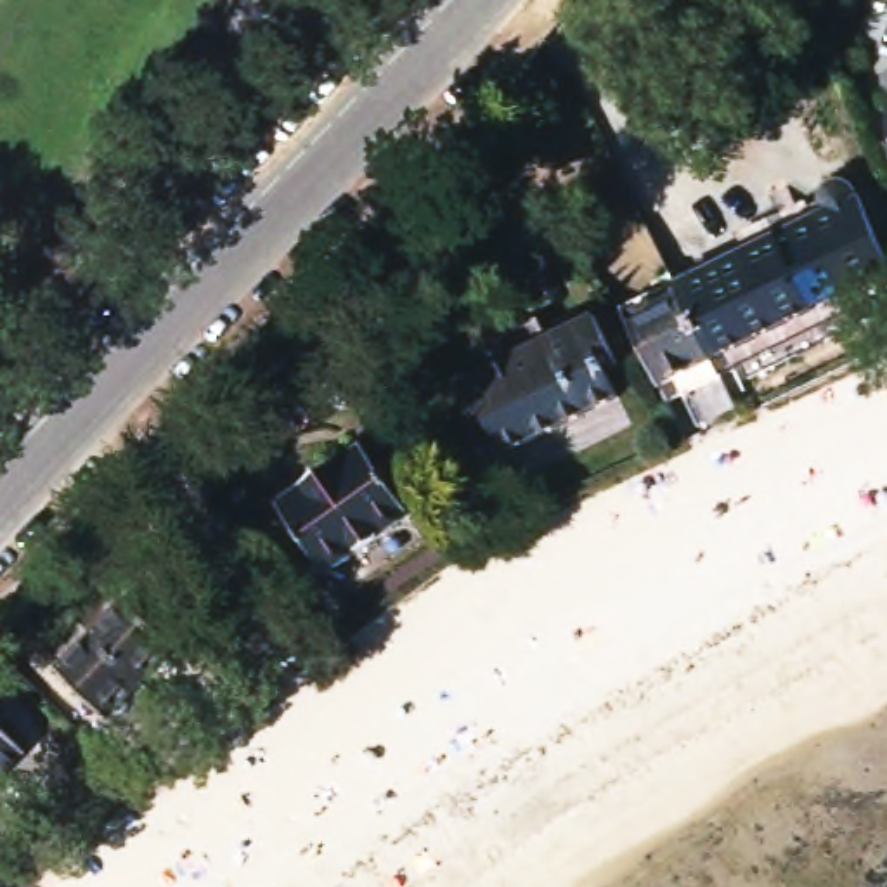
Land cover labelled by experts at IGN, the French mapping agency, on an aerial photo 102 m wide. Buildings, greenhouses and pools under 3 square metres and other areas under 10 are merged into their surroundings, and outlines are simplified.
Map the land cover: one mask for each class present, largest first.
<instances>
[{"label":"deciduous trees","instance_id":"1","mask_svg":"<svg viewBox=\"0 0 887 887\"><path fill-rule=\"evenodd\" d=\"M281 3L322 10L329 17V38L343 52V59L329 62L315 52V59L301 62V52L288 49L270 28L256 31L249 45L229 42L208 62H197L191 69H184L170 49L149 52L139 76L121 83L107 107L94 114V177L80 184L73 180L66 204L45 211L31 243H21L14 225L0 232V475L7 471V461L21 457L28 437V426L14 419V412H24L28 419L55 416L90 392L94 374H100L107 357L104 336L94 333V326H100L114 308H121L125 319H142L146 326H152L163 315L170 270L180 267L177 253L184 218L215 197L218 184L232 170H256V156L274 149L277 125L301 121L315 111L322 83L357 80L360 73L374 69L381 55L392 52L398 42L392 35L374 31L371 14L385 10L392 21H402L405 0H281ZM825 0H561L551 31L565 35V42L579 52L582 76L596 87L599 100H617V107L624 111V132L648 142L676 173L690 170L700 180L724 177L728 159L738 156V149L748 139H780L797 104L825 90L832 80L835 45L821 35L818 7ZM485 107L478 114H461V121H454L444 111L437 118L433 132L440 139V152L423 135L395 139L388 177H378L371 187L340 197L312 229L301 232L298 246L291 249V274H267L256 288L267 312L263 326L249 329L236 350H225L215 340L204 343L201 353H191V371L173 378L170 388H163L156 405L159 419L146 426V437L125 433L118 450L94 457L87 468H80L73 475V485L62 489L21 530L28 551L24 572L17 575V592L0 599V696L28 693L45 683L38 672L49 665L55 648L76 631V624H83L87 610L100 606V599L111 603L114 613L142 617V627L128 638V648H146L159 655L166 665L139 679L132 707H114L100 717L97 728L83 721L80 738L66 731L55 735L52 762L45 766L49 800L21 797L14 800V814L21 807L35 811L83 842L59 873L100 870L97 849L121 845L128 838V825L152 807L159 787H173L177 780H194L208 773H225L232 748L246 745L260 728H270L301 686L326 690L336 679H343L353 665L340 651L333 617L312 613L315 589L298 572L267 534L243 530L236 537L232 530H225L218 509L204 506L201 485L211 475L256 471L274 457H291L295 450L301 468L315 471L326 461V444H343L350 433L367 430L392 447V475L405 516L419 523V544L430 547L444 568L478 572L495 558H523L541 537L565 527L572 513L582 506V499L596 492L575 450L565 433L534 437L523 447H506L499 433H489L475 416L461 419V405L454 398L450 371L471 346L468 336H482L485 326L527 329V319H537L541 301L527 291H513L492 267L471 270L464 295H450L437 284L450 256L444 246L475 243L499 222L495 187L482 170L478 152L499 156L506 163L509 184L523 191L527 229L544 236L561 260H568L572 281H592L589 249L596 239H603L610 211L582 184H534V166H544L551 159V149L568 132V121H561L554 80L544 69H530L520 80H513L502 94L495 83H482ZM825 305H832V315L821 319V329L849 353L852 374L873 364H887V246H884V256L873 270H842V281L832 288V298Z\"/></svg>","mask_w":887,"mask_h":887},{"label":"bare soil","instance_id":"2","mask_svg":"<svg viewBox=\"0 0 887 887\"><path fill-rule=\"evenodd\" d=\"M100 870L59 873L45 870L42 887H887V364H873L852 374L845 381L821 385L814 395L790 402L783 409H759L755 423H735L693 437L690 447L676 454L662 464L641 468L613 489L596 492L582 499V506L572 513L565 527L541 537L523 558H495L478 572L444 568L433 586L398 603L395 631L385 641V648L353 665L343 679H336L326 690L301 686L270 728H260L246 745L232 748L225 773H208L194 780H177L173 787H159L152 807L128 825V838L121 845L97 849ZM627 426L624 405L617 398H603L586 412L568 416L565 433L575 450H586L620 433Z\"/></svg>","mask_w":887,"mask_h":887},{"label":"impervious surface","instance_id":"3","mask_svg":"<svg viewBox=\"0 0 887 887\"><path fill-rule=\"evenodd\" d=\"M561 0H405L402 21H392L385 10L371 14L374 31L392 35L398 42L392 52L381 55L374 69L360 73L357 80L322 83L315 111L301 121L277 125L274 149L256 156V170H232L218 184L215 197L184 218L177 253L180 267L170 270L163 315L152 326H146L142 319H125L121 308H114L100 326H94V333L104 336L107 357L100 374H94L90 392L55 416L28 419L24 412H14V419L28 426V437L21 457L7 461V471L0 475V599L17 592V575L24 572L28 551L21 530L62 489L73 485V475L80 468H87L94 457L118 450L125 433L146 437V426L159 419L156 405L163 388H170L173 378L191 371V353H201L204 343L215 340L225 350H236L249 329L263 326L267 312L256 288L267 274H291V249L298 246L301 232L312 229L340 197L371 187L378 177H388L395 139L423 135L440 152V139L433 132L437 118L444 111L454 121H461V114H478L485 107L482 83H495L502 94L513 80H520L530 69H544L554 80L561 121H568V132L551 149V159L544 166H534V184H582L610 211L603 239H596L589 249L592 281L613 270L631 284L672 281L676 270H683L693 256H703L714 246L759 236L790 215H800L804 208H835V197L821 184L835 170H842L852 156L859 146L856 118L849 114L845 83L832 80L825 90L797 104L780 139H748L738 149V156L728 159L724 177L700 180L690 170L676 173L648 142L624 132V111L617 107V100H599L596 87L582 76L579 52L565 42V35L551 31ZM821 35L835 45L849 52L852 45L870 49L877 42V80L887 90V0H825L818 7ZM832 315V305H825L818 301L807 312H797L728 350L710 353L700 364L683 367L672 381L679 398L693 416V437L735 423H755L759 409H783L790 402L814 395L821 385L845 381L852 374L849 353L821 329V319ZM419 523L405 516L392 520L381 534L353 541V558L346 565L329 568L322 558H308L298 572L315 589L312 613L333 617L340 651L353 665L385 648V641L395 631L398 603L433 586L444 568L430 547L419 544ZM45 683L83 721L97 728L100 717L49 665L38 672Z\"/></svg>","mask_w":887,"mask_h":887},{"label":"herbaceous vegetation","instance_id":"4","mask_svg":"<svg viewBox=\"0 0 887 887\"><path fill-rule=\"evenodd\" d=\"M215 0H0V232L14 225L21 243H31L45 211L66 204L73 180L80 184L94 177V114L107 107L121 83L139 76L149 52L170 49L197 24L201 7ZM482 170L495 187L499 222L475 243L444 246L450 256L437 284L450 295H464L471 270L492 267L513 291H527L541 301L537 319L541 326H558L572 315L592 312L610 340L592 357L617 395L627 385L624 360L634 353V340L627 336V326L617 312L631 298V284L613 270L592 281H572L568 260H561L544 236L527 229L523 191L509 184L506 163L499 156L478 152ZM863 194L877 239L884 246H887V187H877L866 159L852 156L842 170ZM672 398L662 395L658 385H651L624 405L627 426L620 433L586 450H575L596 492L613 489L641 468L662 464L676 454L655 433V419L669 416ZM315 471L301 468L295 450L291 457H274L256 471L211 475L201 485L204 506L218 509L225 530H232L236 537L243 530L267 534L298 572L308 558L288 541L281 523L274 520L270 499L277 489L291 482H312ZM83 721L45 683L28 693L0 696V728L24 748L42 745L38 766H45L52 762L55 735L66 731L80 738ZM21 797L17 787L0 790V887H42L45 870L59 873L83 842L35 811L21 807L14 814V800Z\"/></svg>","mask_w":887,"mask_h":887},{"label":"building","instance_id":"5","mask_svg":"<svg viewBox=\"0 0 887 887\"><path fill-rule=\"evenodd\" d=\"M873 139L887 142V97L884 111L870 118ZM835 197V208H804L800 215H790L759 236L714 246L703 256H693L683 270H676L672 281L631 284V298L617 312L627 326V336L634 340V353L651 385H658L662 395L672 398H679L672 381L683 367L700 364L710 353L728 350L797 312H807L818 301L825 305L832 298V288L842 281V270H873L884 256V246L877 239L863 194L842 170H835L821 184ZM471 346L450 371L454 398L461 405V419L475 416L489 433H499L506 447H523L534 437L565 433L568 416L586 412L603 398H617V395L592 357L610 340L592 312L572 315L558 326H541L537 319H527V329L485 326L482 336H468ZM274 520L281 523L288 541L308 558H322L329 568L346 565L353 558V541L381 534L392 520L405 516L392 475V447L367 430L350 433L343 444H326V461L315 471L312 482H291L277 489L270 499ZM142 627V617L114 613L111 603L100 599V606L87 610L83 624H76V631L55 648L49 665L100 717L114 707H132L139 679L166 665L159 655L146 648H128V638ZM42 745L24 748L0 728V790L17 787L21 797L49 800L45 766H38Z\"/></svg>","mask_w":887,"mask_h":887},{"label":"brushwood","instance_id":"6","mask_svg":"<svg viewBox=\"0 0 887 887\"><path fill-rule=\"evenodd\" d=\"M270 28L288 49L301 52V62L315 59V52L329 62L343 59V52L329 38V17L322 10L281 3L270 14ZM832 80L845 83L849 114L856 118L859 146L852 156L866 159L877 187H887V142L873 139L870 118L884 111L887 97V90L877 80V42L870 49L852 45L849 52L835 45ZM627 385L617 395V398L624 405L651 385L634 353L624 360ZM655 433L676 454L690 447L693 437V416L679 398H672L669 416L655 419Z\"/></svg>","mask_w":887,"mask_h":887},{"label":"pervious surface","instance_id":"7","mask_svg":"<svg viewBox=\"0 0 887 887\"><path fill-rule=\"evenodd\" d=\"M281 3V0H215L201 7L197 24L170 49L184 69H191L197 62H208L229 42L249 45L256 31L270 28V14Z\"/></svg>","mask_w":887,"mask_h":887}]
</instances>
